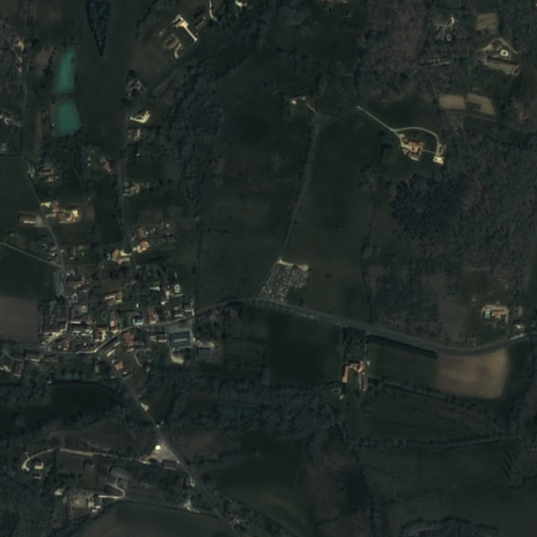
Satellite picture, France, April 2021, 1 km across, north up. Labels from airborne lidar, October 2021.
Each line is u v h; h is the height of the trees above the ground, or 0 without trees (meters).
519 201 19
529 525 0
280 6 11
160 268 8
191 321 0
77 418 0
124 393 18
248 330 0
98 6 13
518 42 17
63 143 7
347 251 0
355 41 0
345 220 0
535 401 0
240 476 0
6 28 15
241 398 19
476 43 17
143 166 0
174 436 0
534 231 22
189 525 0
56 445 9
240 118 0
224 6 7
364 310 0
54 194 0
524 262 18
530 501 0
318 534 0
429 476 0
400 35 17
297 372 0
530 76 0
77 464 0
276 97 0
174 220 0
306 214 0
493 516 0
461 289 0
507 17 20
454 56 15
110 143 0
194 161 12
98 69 0
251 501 0
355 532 0
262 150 0
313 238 0
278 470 0
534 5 10
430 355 14
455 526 14
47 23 0
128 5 0
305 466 0
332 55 0
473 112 0
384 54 17
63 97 9
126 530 0
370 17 9
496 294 0
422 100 0
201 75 11
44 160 12
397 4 15
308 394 13
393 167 0
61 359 10
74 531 9
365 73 17
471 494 0
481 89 0
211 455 0
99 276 8
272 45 0
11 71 18
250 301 0
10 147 7
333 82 0
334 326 0
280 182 0
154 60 0
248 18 7
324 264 0
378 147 0
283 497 0
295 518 0
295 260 0
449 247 16
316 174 0
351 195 0
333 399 0
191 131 10
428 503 0
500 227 24
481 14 0
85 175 20
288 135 0
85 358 18
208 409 0
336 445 0
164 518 0
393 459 0
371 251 15
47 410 0
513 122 21
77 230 0
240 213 0
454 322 0
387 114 0
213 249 0
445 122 19
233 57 0
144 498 0
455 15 14
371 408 11
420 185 22
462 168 18
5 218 0
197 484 0
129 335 0
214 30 28
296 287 0
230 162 0
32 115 0
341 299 0
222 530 0
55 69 0
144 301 9
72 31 0
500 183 27
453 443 8
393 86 15
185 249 0
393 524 0
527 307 0
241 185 0
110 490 15
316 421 23
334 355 0
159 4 12
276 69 0
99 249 19
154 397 16
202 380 21
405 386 9
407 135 0
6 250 0
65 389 0
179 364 0
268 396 20
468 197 25
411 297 11
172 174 0
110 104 0
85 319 0
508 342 0
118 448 0
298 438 19
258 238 0
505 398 0
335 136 0
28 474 8
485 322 0
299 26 21
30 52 10
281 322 0
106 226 0
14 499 18
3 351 18
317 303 0
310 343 0
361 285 0
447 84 12
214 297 0
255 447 0
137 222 0
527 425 0
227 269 0
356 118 0
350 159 0
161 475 20
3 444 20
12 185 0
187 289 0
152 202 0
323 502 0
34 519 10
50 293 0
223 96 0
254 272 0
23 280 0
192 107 10
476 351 0
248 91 0
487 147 21
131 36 0
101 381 7
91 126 0
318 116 11
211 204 0
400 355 0
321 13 6
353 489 0
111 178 10
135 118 0
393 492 0
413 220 26
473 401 0
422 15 15
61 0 0
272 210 0
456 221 26
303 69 0
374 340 12
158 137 13
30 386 14
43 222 0
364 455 0
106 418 9
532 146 19
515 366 0
